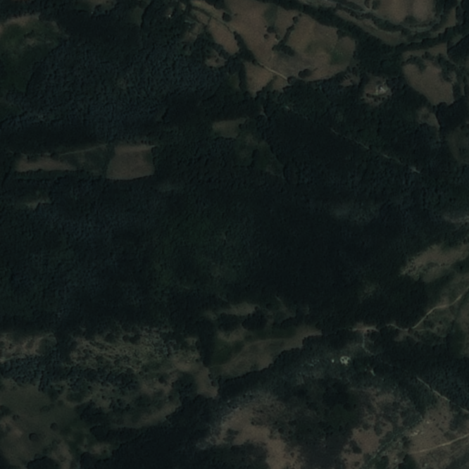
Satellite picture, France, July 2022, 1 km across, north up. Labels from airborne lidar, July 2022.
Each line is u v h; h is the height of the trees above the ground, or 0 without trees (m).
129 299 10
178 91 9
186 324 13
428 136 13
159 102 16
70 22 20
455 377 11
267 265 13
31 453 0
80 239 13
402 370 9
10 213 15
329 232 17
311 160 24
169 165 24
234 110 26
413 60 7
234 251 10
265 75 0
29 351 0
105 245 14
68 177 15
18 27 0
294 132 16
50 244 18
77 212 14
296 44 0
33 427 0
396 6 0
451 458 0
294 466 0
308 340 12
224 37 0
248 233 11
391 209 14
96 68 6
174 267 9
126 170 0
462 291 0
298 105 17
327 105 21
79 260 10
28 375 17
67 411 0
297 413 0
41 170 14
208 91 17
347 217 7
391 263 12
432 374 7
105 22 28
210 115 25
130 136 14
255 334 0
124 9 17
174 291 14
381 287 11
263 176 19
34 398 0
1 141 20
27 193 15
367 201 13
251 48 0
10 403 0
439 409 0
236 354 0
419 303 13
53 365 18
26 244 15
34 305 6
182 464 7
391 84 16
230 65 18
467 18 16
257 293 16
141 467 16
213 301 17
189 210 17
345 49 0
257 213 17
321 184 24
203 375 0
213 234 11
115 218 13
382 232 20
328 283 9
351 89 14
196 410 11
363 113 16
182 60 16
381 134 21
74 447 0
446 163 27
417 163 15
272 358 0
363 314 13
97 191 20
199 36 7
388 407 0
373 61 6
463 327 0
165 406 0
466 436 0
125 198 14
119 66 12
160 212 8
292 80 23
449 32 20
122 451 17
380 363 15
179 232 10
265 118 16
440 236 11
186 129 16
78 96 15
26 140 19
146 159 0
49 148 18
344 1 8
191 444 6
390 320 11
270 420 0
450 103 0
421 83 0
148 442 17
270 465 0
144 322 9
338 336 12
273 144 16
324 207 9
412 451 0
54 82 8
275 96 10
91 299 10
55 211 16
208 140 21
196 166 25
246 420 0
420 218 19
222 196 25
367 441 0
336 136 23
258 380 14
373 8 8
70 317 11
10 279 9
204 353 14
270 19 0
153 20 18
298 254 16
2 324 13
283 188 13
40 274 7
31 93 13
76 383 12
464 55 12
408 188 12
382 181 17
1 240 13
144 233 12
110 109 14
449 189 12
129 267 14
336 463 7
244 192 25
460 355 0
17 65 0
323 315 7
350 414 0
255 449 0
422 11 0
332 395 9
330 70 0
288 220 18
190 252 11
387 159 7
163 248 14
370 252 14
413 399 12
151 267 17
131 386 10
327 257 13
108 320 7
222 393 8
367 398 0
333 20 13
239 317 6
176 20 8
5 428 0
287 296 14
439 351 12
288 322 14
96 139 16
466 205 7
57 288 14
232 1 0
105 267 11
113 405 8
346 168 26
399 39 0
